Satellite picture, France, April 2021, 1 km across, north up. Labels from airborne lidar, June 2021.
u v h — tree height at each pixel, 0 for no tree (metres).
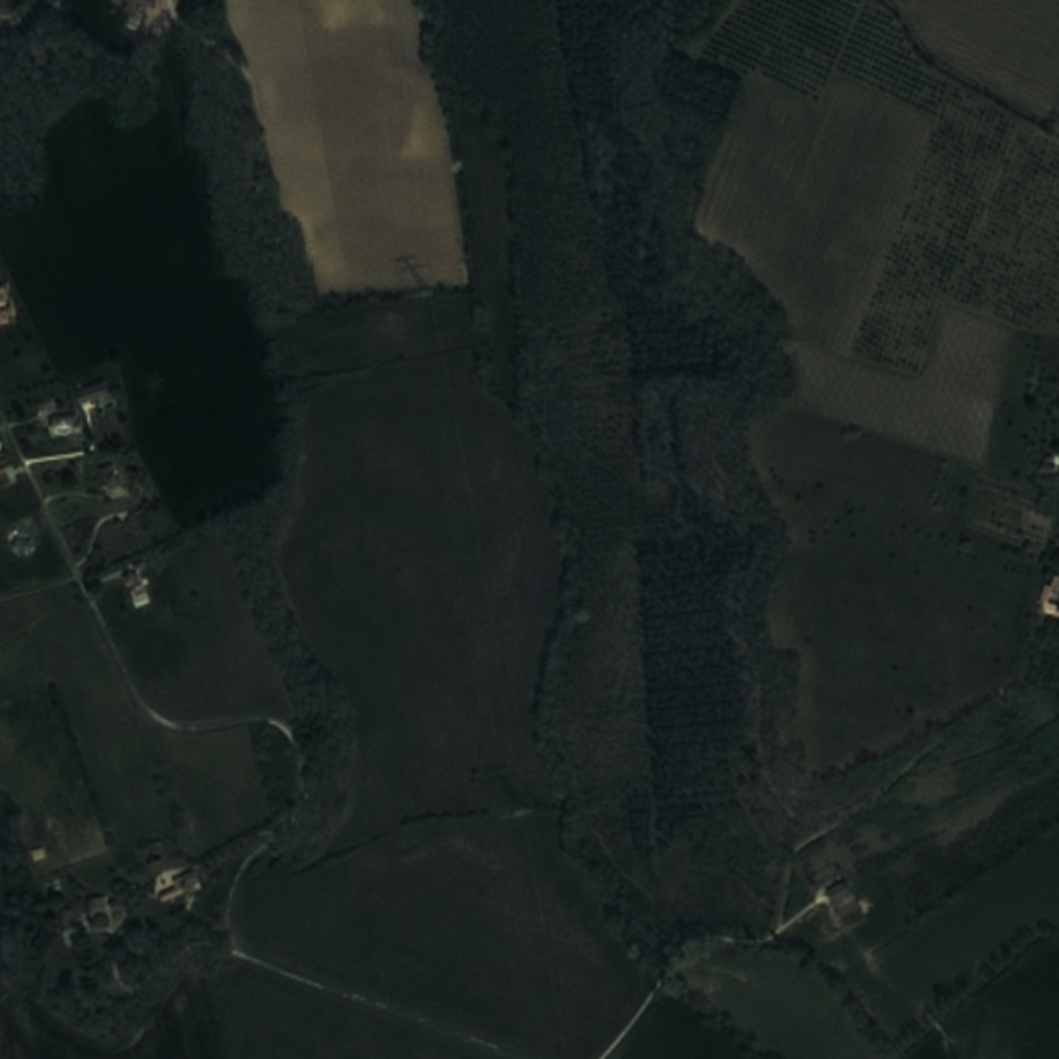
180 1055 0
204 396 0
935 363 0
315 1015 0
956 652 0
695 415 16
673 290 14
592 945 0
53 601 0
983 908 0
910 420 0
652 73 14
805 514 0
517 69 24
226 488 0
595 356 12
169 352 0
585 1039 0
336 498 0
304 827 19
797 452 0
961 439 0
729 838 8
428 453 0
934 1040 0
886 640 0
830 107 0
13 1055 0
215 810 0
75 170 0
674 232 14
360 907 0
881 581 0
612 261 14
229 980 0
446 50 22
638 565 10
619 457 14
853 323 0
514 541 0
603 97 15
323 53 0
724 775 6
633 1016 0
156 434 0
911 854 10
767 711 11
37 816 0
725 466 13
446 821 6
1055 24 0
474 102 20
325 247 0
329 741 22
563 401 13
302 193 0
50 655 0
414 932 0
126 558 6
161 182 0
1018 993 0
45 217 0
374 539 0
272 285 24
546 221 24
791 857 20
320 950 0
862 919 0
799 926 0
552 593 0
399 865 0
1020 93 0
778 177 0
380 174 0
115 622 0
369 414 0
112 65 21
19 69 23
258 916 0
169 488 0
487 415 0
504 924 0
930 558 0
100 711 0
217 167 21
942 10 0
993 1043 0
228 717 0
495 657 0
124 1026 16
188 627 0
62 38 23
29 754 0
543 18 22
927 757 6
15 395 8
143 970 16
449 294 13
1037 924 0
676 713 16
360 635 0
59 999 19
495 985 0
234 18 0
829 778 13
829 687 0
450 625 0
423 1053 0
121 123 18
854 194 0
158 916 0
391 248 0
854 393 0
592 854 10
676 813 10
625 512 10
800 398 0
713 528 19
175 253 0
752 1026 0
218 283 0
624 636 10
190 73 15
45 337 0
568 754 9
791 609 0
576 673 17
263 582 24
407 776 0
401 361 6
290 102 0
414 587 0
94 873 0
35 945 7
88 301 0
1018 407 0
